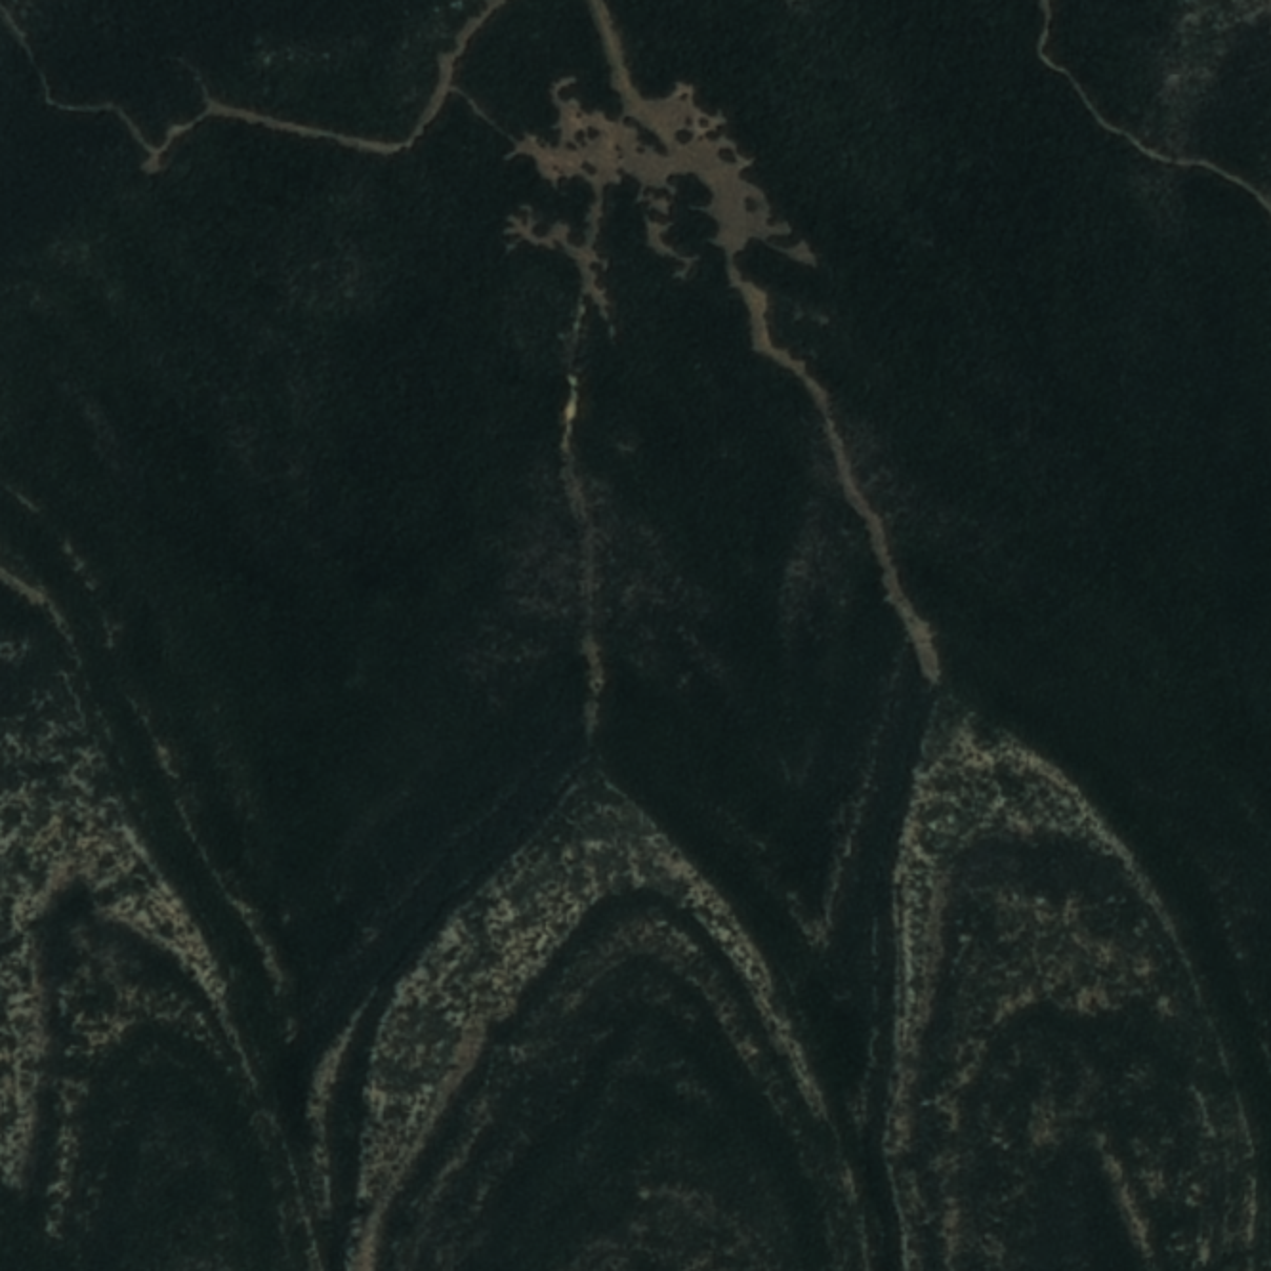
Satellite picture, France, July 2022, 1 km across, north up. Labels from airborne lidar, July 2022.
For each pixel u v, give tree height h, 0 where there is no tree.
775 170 8
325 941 6
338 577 6
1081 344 7
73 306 6
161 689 6
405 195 7
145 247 8
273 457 6
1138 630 9
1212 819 5
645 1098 5
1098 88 9
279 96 6
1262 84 6
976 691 9
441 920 6
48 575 6
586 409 7
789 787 5
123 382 9
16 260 5
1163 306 7
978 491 8
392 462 9
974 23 6
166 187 7
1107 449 8
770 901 6
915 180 8
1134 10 7
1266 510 6
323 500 6
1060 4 7
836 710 6
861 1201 9
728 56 8
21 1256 7
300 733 6
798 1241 7
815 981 6
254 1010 6
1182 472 7
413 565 9
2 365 8
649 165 0
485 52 5
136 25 7
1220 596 9
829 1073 7
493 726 7
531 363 5
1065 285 9
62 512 7
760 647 8
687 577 6
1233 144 7
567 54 6
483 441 7
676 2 8
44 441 8
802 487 6
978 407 6
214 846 7
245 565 6
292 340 6
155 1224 6
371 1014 6
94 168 6
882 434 6
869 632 6
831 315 7
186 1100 6
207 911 6
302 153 9
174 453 8
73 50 7
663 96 6
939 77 8
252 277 8
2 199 10
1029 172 10
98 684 6
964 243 9
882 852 5
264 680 7
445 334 7
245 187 7
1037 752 6
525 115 7
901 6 8
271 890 6
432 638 5
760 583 6
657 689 6
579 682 7
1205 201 7
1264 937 6
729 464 6
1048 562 10
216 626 8
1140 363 7
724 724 5
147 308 8
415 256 6
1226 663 7
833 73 7
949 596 7
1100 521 6
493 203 6
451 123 7
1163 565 8
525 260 5
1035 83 8
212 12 7
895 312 9
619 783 6
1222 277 8
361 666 5
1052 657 7
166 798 6
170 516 8
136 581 6
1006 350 7
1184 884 8
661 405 9
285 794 7
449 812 5
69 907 6
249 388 6
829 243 13
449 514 8
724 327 8
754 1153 6
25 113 7
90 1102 5
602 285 7
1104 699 6
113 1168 7
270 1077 9
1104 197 9
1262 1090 9
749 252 6
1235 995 6
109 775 6
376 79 6
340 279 6
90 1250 6
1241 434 6
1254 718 6
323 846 6
